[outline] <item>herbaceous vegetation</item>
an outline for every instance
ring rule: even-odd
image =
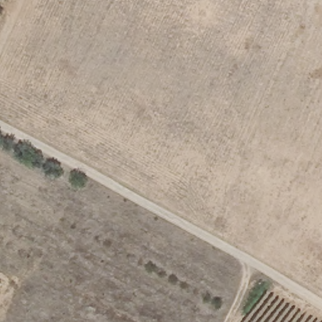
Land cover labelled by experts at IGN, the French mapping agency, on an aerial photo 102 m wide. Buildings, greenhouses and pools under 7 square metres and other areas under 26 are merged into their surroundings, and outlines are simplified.
[[[243,301],[243,314],[252,312],[267,289],[272,287],[273,280],[259,270],[252,274],[248,282],[248,296]]]

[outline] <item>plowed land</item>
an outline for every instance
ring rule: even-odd
[[[241,280],[241,264],[238,259],[109,189],[101,182],[91,179],[84,172],[72,170],[62,164],[63,174],[59,177],[45,175],[43,169],[21,164],[14,157],[14,151],[0,153],[0,322],[223,322]]]
[[[283,274],[298,286],[322,299],[322,0],[0,0],[0,126],[6,123],[73,160],[82,162],[125,189],[170,211],[177,218],[184,219],[187,223],[214,235],[215,238],[233,245],[235,249],[259,260],[260,263]]]
[[[278,297],[301,308],[308,316],[311,314],[322,319],[322,311],[309,303],[307,298],[273,280],[272,287],[273,293]]]

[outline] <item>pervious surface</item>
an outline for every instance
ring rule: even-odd
[[[233,245],[215,238],[214,235],[187,223],[184,219],[177,218],[170,211],[125,189],[82,162],[73,160],[6,123],[0,126],[0,132],[3,135],[13,135],[16,140],[30,142],[42,151],[44,156],[57,158],[62,164],[72,170],[84,172],[91,179],[101,182],[109,189],[238,259],[241,264],[241,280],[223,322],[239,322],[243,314],[243,301],[248,296],[248,282],[252,274],[259,270],[273,280],[307,298],[309,303],[322,311],[322,299],[298,286],[283,274],[260,263],[259,260],[235,249]]]

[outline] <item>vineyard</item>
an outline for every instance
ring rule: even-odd
[[[278,297],[273,293],[272,287],[267,289],[252,312],[243,314],[239,322],[322,322],[322,319],[311,314],[308,316],[301,308]]]

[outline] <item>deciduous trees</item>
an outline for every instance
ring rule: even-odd
[[[43,169],[45,175],[59,177],[63,174],[62,164],[57,158],[44,156],[42,151],[30,142],[16,140],[13,135],[3,135],[0,132],[0,153],[14,151],[14,157],[21,164]]]

